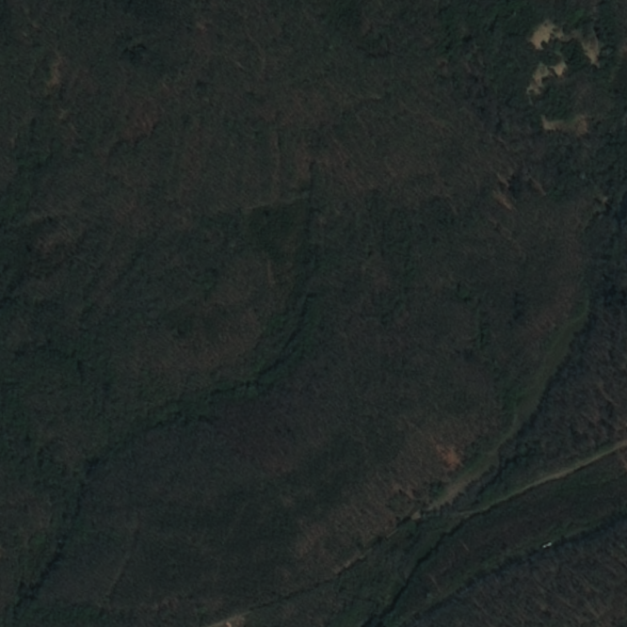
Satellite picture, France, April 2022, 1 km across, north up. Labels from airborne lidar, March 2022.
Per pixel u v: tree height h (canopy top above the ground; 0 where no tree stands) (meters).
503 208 25
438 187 22
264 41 18
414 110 20
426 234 22
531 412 0
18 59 21
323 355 22
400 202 18
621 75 0
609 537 24
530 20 9
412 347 16
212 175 21
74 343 24
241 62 19
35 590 18
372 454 18
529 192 25
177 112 20
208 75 17
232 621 0
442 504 0
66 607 18
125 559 16
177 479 18
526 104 15
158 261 23
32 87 18
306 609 19
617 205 16
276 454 16
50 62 17
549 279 13
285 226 10
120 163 19
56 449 21
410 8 23
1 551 0
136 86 19
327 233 21
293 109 18
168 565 15
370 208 22
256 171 18
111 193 20
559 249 17
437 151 18
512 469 20
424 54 24
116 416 20
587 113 20
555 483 9
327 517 17
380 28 23
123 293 22
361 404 17
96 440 22
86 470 22
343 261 22
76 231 18
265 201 20
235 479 18
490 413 16
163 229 16
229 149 22
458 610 20
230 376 22
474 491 22
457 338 20
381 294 12
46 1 22
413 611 13
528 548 0
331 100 19
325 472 13
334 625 22
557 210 19
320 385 26
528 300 16
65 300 23
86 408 20
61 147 19
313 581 14
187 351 14
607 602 18
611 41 14
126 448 17
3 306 18
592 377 24
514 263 17
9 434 20
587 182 21
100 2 26
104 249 19
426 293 17
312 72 22
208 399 17
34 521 15
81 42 21
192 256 21
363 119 18
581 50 10
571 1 21
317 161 18
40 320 21
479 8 23
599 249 17
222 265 22
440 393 18
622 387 24
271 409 20
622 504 17
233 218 21
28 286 23
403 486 23
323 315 17
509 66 21
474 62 28
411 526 21
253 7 22
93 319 24
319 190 22
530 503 14
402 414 19
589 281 17
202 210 19
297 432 19
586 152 23
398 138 23
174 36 18
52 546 15
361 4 18
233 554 14
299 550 17
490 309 19
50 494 20
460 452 18
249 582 16
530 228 19
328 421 20
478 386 17
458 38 22
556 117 11
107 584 18
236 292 14
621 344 23
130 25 20
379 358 16
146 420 9
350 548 15
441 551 12
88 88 16
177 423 13
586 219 19
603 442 21
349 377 20
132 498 17
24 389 20
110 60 21
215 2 19
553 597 25
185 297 18
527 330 24
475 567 13
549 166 28
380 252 11
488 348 20
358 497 20
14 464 21
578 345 15
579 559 25
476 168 21
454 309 17
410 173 18
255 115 22
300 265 10
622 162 24
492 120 26
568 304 21
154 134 13
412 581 11
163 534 17
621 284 29
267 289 16
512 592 25
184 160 12
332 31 23
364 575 9
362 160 18
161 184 19
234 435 17
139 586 19
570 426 20
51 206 21
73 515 22
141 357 20
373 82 22
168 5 17
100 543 21
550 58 7
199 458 22
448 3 22
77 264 21
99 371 20
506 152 25
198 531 17
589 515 18
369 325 21
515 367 17
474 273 19
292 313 18
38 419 23
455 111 19
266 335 17
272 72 19
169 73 19
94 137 22
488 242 19
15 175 19
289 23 21
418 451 20
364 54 22
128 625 20
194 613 18
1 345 24
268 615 18
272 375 18
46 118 25
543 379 0
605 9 18
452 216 24
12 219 17
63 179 20
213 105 21
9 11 18
